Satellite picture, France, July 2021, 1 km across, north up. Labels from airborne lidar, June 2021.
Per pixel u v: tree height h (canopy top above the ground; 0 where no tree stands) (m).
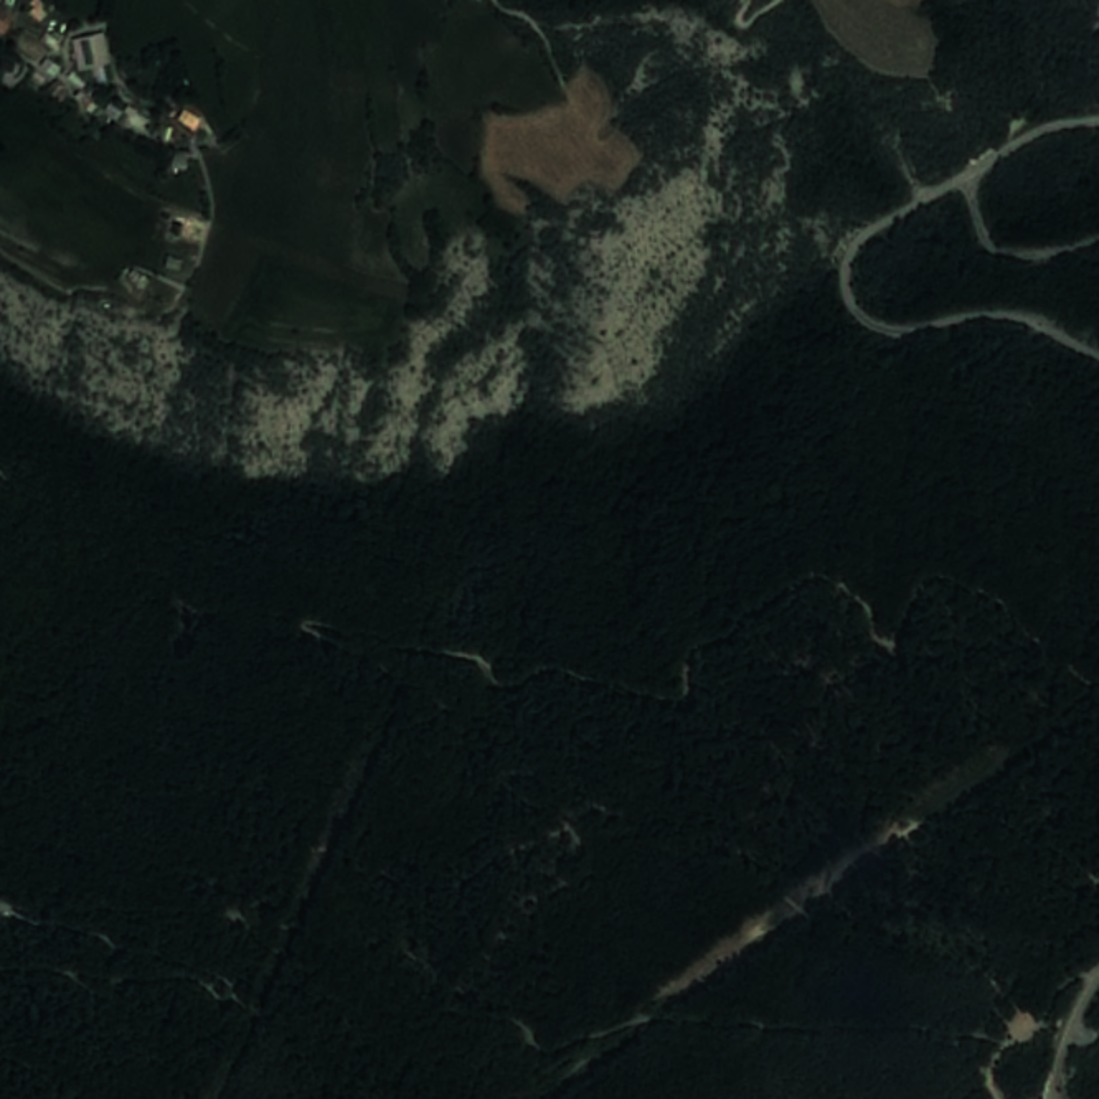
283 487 18
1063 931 21
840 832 24
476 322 6
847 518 20
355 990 17
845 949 16
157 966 21
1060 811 16
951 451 21
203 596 26
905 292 20
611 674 19
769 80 6
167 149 11
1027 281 17
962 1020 13
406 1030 21
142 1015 18
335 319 0
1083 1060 6
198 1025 20
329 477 8
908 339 11
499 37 0
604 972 14
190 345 8
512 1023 9
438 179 0
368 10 0
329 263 0
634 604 25
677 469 22
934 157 8
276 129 0
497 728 22
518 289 9
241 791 20
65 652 24
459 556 11
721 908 19
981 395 11
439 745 22
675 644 17
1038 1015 10
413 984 21
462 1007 19
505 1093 12
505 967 21
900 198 10
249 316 0
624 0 6
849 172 9
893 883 22
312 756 20
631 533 26
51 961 13
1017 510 23
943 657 19
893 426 17
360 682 24
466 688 16
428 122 10
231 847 20
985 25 10
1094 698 18
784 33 8
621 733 23
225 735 19
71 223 0
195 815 21
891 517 24
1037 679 24
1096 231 11
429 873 24
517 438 22
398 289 0
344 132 0
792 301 11
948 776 11
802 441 20
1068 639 24
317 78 0
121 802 19
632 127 6
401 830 24
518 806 14
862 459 14
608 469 20
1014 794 23
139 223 0
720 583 19
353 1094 19
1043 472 23
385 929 19
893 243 14
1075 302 18
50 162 0
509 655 23
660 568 15
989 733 19
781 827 23
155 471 27
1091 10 7
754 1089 11
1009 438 17
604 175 0
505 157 0
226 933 24
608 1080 20
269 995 16
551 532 19
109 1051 19
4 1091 20
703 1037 14
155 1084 17
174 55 9
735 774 23
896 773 20
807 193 8
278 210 0
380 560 29
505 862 16
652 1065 16
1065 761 24
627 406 5
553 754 17
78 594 26
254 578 22
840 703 27
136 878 23
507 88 0
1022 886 17
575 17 6
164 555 16
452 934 25
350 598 18
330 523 26
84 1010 20
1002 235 17
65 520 17
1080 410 20
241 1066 14
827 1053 10
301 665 18
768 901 21
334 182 0
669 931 20
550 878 14
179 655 28
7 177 0
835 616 23
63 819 19
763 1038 12
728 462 25
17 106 0
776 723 23
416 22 0
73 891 17
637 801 16
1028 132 0
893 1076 12
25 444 20
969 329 13
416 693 16
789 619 20
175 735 18
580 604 17
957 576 15
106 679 14
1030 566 25
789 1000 15
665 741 21
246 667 18
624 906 18
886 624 22
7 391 23
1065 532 24
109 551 25
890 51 0
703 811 23
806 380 17
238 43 0
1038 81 12
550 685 16
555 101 0
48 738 23
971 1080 11
